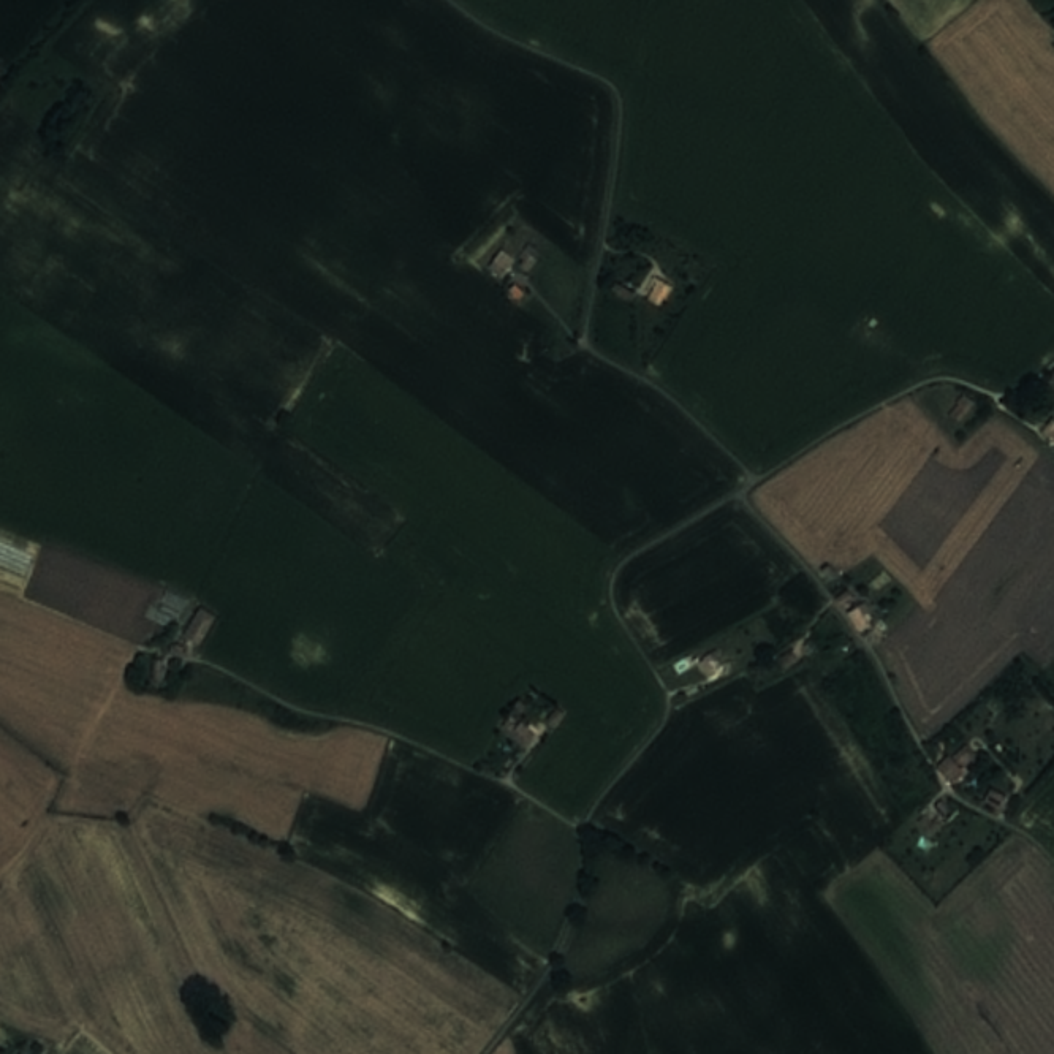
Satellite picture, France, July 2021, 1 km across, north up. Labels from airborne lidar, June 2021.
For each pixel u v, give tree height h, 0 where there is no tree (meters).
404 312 0
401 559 0
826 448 0
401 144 0
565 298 0
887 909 0
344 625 0
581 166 0
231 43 0
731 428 0
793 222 0
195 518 0
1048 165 0
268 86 0
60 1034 0
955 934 0
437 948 0
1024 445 0
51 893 0
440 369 0
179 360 0
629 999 0
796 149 0
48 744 0
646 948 0
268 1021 0
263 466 0
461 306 0
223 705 0
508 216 0
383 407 0
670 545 0
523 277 0
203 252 0
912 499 0
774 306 0
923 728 0
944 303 0
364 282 0
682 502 0
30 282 0
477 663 0
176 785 0
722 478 0
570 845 0
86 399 0
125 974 0
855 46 0
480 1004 0
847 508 0
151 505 0
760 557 0
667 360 0
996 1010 0
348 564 0
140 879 0
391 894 0
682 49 0
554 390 0
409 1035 0
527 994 0
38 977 0
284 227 0
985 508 0
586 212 0
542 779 0
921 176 0
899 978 0
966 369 0
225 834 0
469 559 0
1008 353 0
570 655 0
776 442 0
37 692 0
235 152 0
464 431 0
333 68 0
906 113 0
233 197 0
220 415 0
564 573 0
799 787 0
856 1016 0
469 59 0
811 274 0
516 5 0
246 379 0
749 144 0
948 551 0
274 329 0
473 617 0
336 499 0
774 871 0
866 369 0
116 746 0
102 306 0
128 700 0
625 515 0
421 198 0
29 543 0
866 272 0
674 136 0
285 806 0
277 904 0
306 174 0
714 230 0
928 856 0
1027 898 0
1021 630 0
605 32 0
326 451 0
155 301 0
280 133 0
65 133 19
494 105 0
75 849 0
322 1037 0
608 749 0
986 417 9
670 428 0
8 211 0
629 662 0
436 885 0
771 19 0
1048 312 0
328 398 0
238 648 0
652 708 0
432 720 0
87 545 0
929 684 0
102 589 0
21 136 0
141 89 0
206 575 0
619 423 0
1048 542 0
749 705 0
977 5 0
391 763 0
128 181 0
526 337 0
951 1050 0
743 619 0
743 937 0
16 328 0
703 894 0
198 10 0
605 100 0
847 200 0
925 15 0
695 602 0
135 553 0
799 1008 0
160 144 0
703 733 0
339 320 0
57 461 0
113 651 0
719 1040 0
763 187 0
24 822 0
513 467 0
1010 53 0
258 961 0
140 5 0
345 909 0
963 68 0
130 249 0
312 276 0
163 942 0
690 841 0
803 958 0
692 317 0
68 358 0
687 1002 0
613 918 0
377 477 0
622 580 0
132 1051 0
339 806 0
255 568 0
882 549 0
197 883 0
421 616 0
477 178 0
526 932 0
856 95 0
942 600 0
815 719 0
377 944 0
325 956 0
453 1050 0
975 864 7
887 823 0
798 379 0
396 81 0
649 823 0
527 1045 0
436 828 0
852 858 0
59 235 0
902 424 0
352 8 0
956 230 0
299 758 0
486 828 0
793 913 0
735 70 0
